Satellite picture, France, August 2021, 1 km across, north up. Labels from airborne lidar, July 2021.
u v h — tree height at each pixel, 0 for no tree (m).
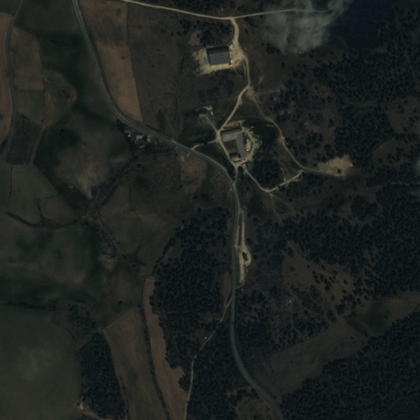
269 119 0
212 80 0
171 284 9
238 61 0
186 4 9
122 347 0
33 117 0
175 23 0
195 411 12
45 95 0
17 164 0
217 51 0
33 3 0
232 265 0
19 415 0
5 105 0
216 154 0
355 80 12
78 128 0
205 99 0
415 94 16
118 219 0
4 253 0
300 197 0
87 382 0
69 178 0
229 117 0
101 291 0
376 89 10
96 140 0
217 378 9
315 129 0
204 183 0
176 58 0
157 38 0
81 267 0
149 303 0
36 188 0
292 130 0
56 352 0
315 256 17
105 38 0
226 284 0
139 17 0
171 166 0
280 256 7
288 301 0
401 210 14
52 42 0
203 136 0
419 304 0
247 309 10
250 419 0
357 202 12
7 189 0
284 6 0
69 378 0
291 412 12
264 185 11
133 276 0
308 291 0
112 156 0
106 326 0
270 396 0
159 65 0
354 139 10
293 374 0
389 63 12
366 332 0
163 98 0
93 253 0
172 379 0
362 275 0
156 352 0
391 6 16
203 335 0
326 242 15
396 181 11
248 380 0
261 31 0
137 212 0
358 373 9
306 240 12
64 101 0
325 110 0
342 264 12
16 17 0
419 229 12
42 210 0
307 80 0
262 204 0
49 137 0
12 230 0
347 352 0
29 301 0
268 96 0
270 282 0
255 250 0
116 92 0
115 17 0
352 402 15
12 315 0
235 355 0
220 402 18
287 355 0
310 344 0
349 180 0
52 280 0
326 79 10
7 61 0
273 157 0
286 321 0
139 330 0
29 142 0
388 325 0
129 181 0
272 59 0
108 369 15
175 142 0
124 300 0
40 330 0
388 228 19
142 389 0
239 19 0
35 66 0
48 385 0
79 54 0
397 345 21
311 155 0
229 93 0
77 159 0
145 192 0
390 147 0
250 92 0
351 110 11
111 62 0
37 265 0
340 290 0
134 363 0
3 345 0
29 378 0
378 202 8
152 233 0
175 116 0
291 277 0
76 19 0
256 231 0
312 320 10
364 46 13
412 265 16
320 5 12
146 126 0
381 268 14
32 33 0
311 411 16
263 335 12
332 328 0
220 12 0
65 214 0
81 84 0
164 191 0
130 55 0
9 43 0
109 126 0
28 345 0
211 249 0
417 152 7
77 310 6
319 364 0
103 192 0
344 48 0
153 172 0
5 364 0
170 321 14
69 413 0
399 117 0
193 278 15
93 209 0
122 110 0
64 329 0
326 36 0
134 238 0
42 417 0
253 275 0
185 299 17
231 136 0
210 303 16
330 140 0
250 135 0
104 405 12
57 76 0
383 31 18
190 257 11
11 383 0
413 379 15
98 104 0
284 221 7
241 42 0
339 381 12
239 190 0
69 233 0
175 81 0
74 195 0
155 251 0
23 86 0
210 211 0
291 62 0
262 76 0
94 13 0
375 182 13
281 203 0
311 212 10
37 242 0
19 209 0
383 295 12
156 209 0
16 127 0
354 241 17
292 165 0
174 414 0
